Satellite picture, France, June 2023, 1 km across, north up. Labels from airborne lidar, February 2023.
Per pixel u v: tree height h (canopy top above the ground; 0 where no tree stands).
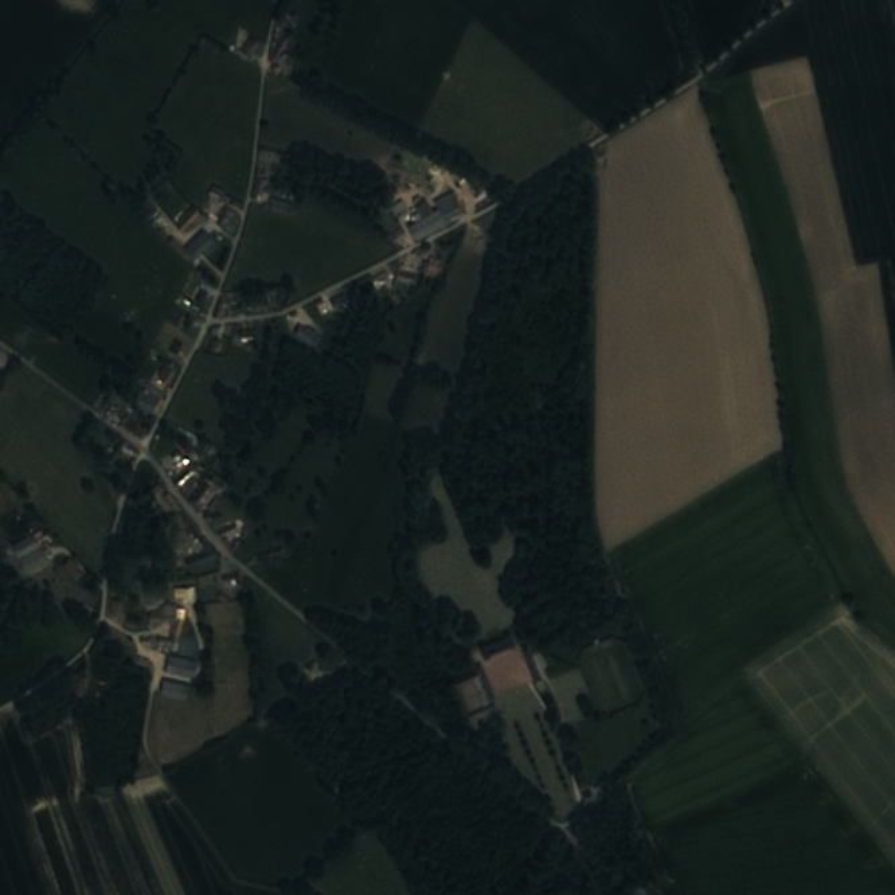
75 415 0
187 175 0
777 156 0
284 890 14
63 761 0
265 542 0
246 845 0
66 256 23
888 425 0
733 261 0
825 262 0
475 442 24
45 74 0
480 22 0
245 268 0
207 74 0
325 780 22
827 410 0
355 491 0
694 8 0
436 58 0
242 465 6
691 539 0
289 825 0
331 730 22
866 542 0
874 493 0
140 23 0
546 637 26
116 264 0
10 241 7
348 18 0
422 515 21
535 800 25
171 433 13
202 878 0
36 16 0
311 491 0
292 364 9
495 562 0
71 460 0
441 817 21
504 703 0
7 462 0
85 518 0
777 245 0
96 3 0
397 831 20
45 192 0
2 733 0
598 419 0
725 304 0
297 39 0
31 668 0
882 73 0
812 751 0
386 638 25
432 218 0
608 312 0
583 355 21
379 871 0
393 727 17
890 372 0
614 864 29
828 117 0
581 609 18
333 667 0
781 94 0
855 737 0
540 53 0
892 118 0
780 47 0
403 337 0
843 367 0
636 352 0
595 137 0
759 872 0
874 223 0
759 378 0
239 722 0
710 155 0
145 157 0
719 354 0
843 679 0
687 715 0
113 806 0
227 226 0
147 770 0
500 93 0
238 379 0
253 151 0
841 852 0
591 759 0
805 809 0
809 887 0
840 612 0
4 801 0
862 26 0
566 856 21
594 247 12
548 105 0
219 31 0
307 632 0
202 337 0
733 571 0
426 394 0
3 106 0
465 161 25
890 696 0
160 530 20
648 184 0
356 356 10
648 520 0
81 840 0
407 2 0
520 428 30
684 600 0
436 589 0
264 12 0
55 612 30
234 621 0
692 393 0
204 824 0
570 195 27
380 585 0
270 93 0
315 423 18
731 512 0
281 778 0
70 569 0
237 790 0
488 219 0
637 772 0
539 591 21
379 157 0
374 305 15
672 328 0
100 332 0
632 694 0
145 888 0
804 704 0
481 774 15
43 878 0
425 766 19
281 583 0
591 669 0
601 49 0
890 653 0
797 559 0
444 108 0
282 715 20
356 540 0
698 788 0
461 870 18
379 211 18
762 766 0
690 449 0
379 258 0
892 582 0
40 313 22
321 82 13
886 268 0
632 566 0
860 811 0
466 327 0
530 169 0
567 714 0
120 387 15
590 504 16
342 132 0
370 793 19
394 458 0
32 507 9
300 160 16
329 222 0
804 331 0
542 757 0
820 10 0
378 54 0
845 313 0
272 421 30
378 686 17
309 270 0
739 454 0
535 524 23
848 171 0
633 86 0
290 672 18
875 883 0
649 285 0
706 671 0
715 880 0
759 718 0
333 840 0
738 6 0
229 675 0
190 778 0
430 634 28
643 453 0
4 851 0
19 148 0
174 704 0
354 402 12
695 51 27
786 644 0
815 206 0
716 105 0
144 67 0
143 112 0
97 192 0
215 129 0
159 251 0
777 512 0
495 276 23
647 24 0
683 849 0
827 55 0
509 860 17
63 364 0
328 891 0
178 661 0
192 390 0
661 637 0
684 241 0
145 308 0
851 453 0
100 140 0
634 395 0
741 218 0
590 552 16
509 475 25
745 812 0
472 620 20
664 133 0
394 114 0
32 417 0
